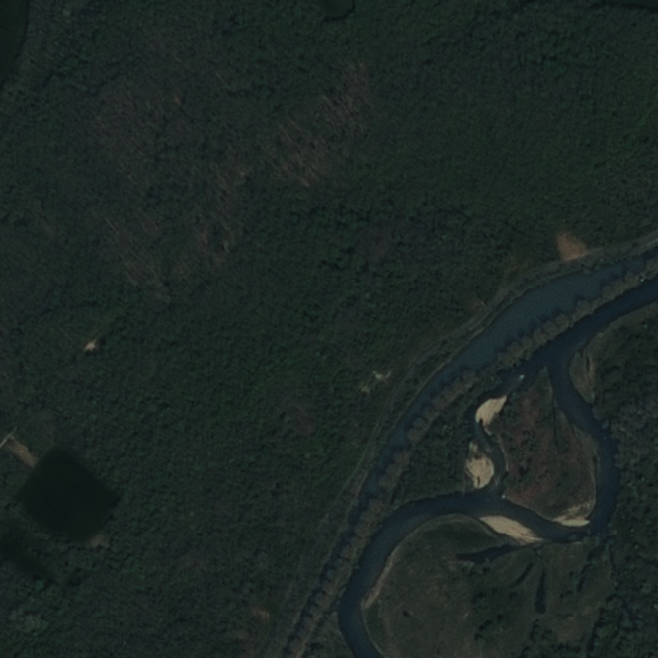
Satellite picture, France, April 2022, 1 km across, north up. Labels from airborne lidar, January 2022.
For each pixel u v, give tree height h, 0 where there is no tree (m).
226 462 21
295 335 25
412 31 29
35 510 0
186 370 23
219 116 29
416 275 28
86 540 0
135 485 18
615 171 22
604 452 0
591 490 0
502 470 0
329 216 31
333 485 9
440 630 0
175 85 30
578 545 0
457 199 30
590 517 0
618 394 12
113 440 20
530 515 0
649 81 24
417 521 0
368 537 24
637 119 23
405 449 0
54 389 28
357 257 28
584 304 23
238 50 29
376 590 0
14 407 21
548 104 27
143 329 25
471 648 0
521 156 27
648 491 24
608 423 14
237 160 29
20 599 24
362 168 29
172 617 9
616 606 13
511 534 0
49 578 0
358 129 27
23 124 28
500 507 0
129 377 24
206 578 29
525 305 0
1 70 0
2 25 0
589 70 26
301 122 28
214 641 25
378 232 31
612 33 25
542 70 25
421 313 13
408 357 0
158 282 26
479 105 27
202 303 26
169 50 26
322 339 24
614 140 26
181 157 27
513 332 0
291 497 19
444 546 0
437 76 28
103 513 0
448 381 0
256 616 0
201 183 29
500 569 0
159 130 31
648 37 24
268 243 24
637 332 0
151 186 30
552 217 25
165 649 27
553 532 0
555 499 0
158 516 18
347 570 21
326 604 31
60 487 0
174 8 26
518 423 12
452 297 8
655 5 0
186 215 27
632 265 0
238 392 25
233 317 25
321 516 6
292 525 27
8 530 15
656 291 0
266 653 0
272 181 28
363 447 13
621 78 23
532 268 0
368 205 27
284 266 24
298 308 24
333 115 29
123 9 20
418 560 0
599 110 24
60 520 0
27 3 0
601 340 0
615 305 0
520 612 0
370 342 26
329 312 26
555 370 0
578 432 0
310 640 24
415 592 0
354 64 28
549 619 0
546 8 29
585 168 27
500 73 27
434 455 21
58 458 0
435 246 25
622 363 0
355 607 0
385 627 0
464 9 26
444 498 0
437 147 26
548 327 26
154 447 15
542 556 0
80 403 25
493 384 11
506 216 22
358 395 11
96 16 25
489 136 26
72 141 27
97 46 26
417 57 28
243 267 24
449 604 0
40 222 27
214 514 9
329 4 0
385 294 20
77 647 20
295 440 31
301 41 26
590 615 0
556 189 26
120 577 16
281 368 17
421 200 33
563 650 6
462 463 19
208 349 27
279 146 28
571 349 0
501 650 0
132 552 17
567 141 27
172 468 23
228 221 10
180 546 12
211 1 28
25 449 0
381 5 19
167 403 19
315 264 25
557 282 0
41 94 27
